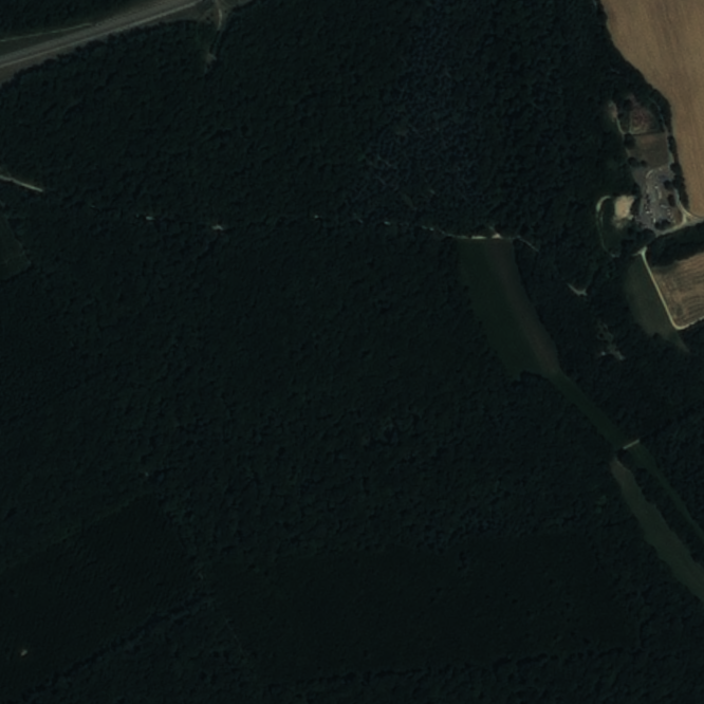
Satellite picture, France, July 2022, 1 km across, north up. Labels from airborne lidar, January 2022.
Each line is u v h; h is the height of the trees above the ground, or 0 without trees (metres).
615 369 23
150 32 18
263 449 21
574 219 27
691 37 0
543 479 21
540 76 31
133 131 26
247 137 19
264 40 21
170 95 23
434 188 18
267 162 23
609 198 0
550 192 30
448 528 24
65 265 21
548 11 23
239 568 12
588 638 9
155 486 26
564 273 21
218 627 23
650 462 0
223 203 19
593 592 10
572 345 21
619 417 20
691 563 0
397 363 25
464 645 12
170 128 23
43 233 24
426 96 27
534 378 21
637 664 23
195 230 20
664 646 20
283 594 6
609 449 23
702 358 7
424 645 7
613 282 14
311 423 20
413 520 23
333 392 22
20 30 12
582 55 25
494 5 22
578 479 22
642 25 0
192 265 25
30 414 17
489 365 19
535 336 0
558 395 26
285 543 25
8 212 21
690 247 15
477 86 22
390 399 24
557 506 22
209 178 15
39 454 19
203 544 22
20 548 21
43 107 23
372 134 19
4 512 18
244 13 17
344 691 28
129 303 23
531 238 23
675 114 0
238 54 19
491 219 22
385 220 26
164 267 26
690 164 0
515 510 21
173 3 0
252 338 20
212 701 17
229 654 20
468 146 18
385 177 29
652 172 0
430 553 11
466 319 23
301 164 20
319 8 21
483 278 0
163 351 22
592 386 11
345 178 21
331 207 20
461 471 21
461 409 18
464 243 0
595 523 20
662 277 0
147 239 25
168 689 21
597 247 16
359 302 22
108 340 21
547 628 11
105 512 20
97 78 25
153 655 19
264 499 30
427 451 21
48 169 22
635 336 10
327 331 22
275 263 21
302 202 17
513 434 23
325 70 22
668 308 0
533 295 19
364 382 24
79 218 26
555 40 25
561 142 27
